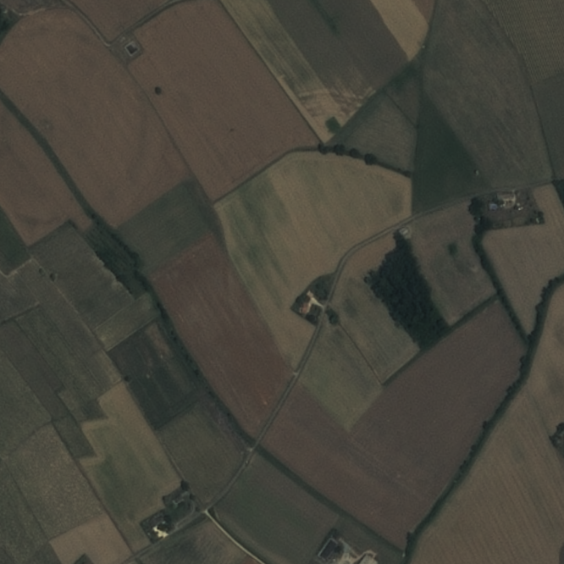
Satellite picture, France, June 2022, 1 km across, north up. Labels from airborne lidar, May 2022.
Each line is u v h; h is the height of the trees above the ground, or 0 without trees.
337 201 0
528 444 0
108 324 0
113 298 0
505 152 0
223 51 0
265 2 0
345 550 0
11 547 0
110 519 0
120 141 0
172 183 0
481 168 0
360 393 0
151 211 0
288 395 0
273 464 0
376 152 0
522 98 0
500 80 0
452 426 0
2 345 0
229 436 0
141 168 0
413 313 13
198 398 0
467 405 0
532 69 0
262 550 0
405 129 0
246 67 0
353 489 0
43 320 0
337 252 0
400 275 40
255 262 0
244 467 0
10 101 0
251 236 0
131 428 0
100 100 0
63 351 0
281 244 0
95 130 0
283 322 0
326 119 0
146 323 0
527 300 0
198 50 0
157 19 0
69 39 0
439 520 0
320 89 0
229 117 0
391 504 0
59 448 0
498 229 0
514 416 0
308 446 0
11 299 0
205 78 0
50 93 0
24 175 0
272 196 0
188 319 0
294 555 0
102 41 0
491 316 0
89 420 0
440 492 0
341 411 0
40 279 0
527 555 0
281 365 0
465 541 0
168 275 0
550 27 0
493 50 0
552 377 0
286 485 0
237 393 0
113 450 0
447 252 0
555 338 0
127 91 0
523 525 0
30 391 0
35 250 0
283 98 0
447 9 0
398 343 0
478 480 0
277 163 0
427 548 0
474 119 0
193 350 0
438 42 0
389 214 0
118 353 0
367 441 0
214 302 0
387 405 0
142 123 0
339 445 0
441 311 0
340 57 0
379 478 0
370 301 0
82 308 0
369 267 0
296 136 0
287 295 0
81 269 0
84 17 0
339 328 0
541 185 0
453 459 0
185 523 0
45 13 0
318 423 0
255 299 0
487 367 0
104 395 0
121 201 0
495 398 0
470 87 0
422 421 0
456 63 0
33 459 0
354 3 0
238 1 0
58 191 0
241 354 0
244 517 0
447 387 0
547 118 0
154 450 0
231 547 0
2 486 0
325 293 6
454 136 0
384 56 0
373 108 0
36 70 0
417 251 0
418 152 0
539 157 0
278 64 0
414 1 0
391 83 0
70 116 0
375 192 0
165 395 0
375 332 0
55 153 0
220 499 0
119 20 0
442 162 0
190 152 0
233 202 0
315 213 0
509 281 0
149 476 0
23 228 0
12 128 0
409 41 0
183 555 0
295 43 0
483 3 0
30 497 0
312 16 0
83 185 0
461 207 0
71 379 0
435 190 0
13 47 0
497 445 0
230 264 0
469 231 0
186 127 0
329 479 0
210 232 0
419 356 0
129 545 0
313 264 0
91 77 0
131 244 0
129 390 0
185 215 0
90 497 0
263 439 0
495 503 0
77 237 0
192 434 0
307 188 0
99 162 0
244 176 0
